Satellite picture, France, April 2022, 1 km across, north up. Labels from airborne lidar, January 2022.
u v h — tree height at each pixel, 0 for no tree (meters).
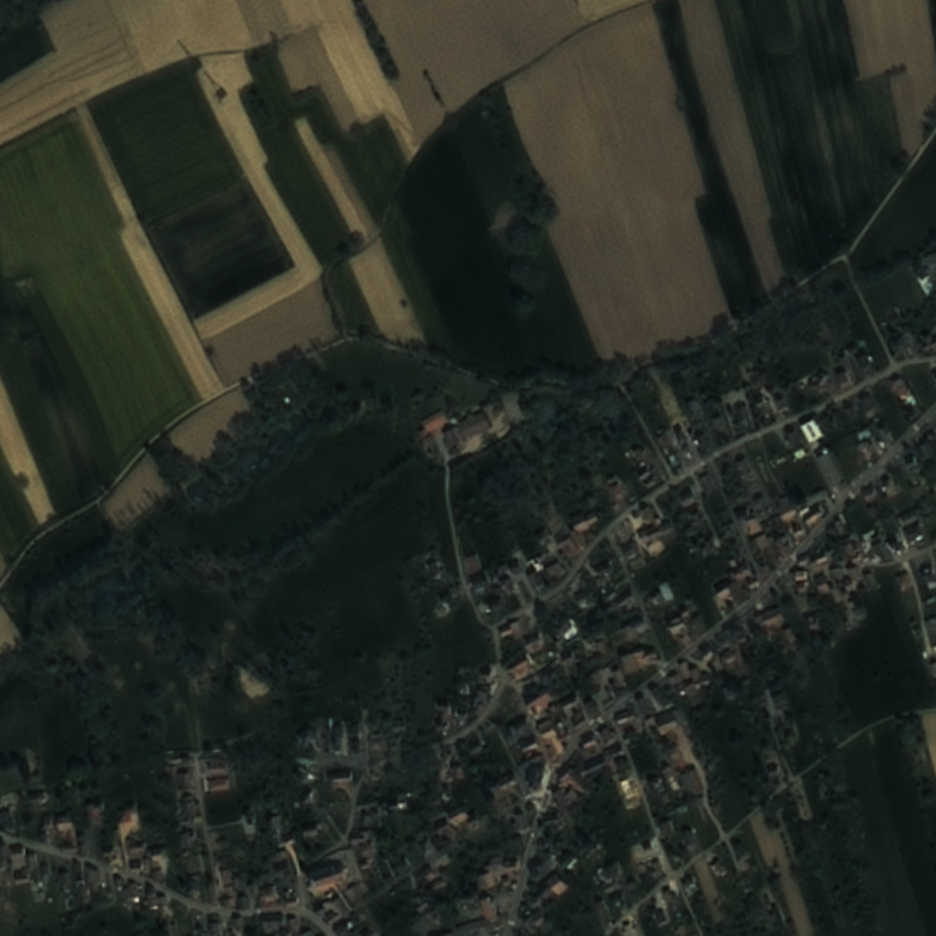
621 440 8
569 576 0
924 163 0
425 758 23
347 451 0
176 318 0
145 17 0
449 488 0
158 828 12
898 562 0
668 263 0
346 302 0
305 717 0
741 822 0
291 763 0
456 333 0
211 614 0
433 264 0
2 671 17
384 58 13
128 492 0
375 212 0
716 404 6
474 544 0
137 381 0
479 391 0
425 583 6
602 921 0
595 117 0
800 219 0
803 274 0
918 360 0
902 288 0
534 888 7
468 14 0
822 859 11
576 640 0
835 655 0
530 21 0
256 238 0
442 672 0
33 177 0
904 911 0
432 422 0
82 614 25
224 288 0
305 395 21
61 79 0
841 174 0
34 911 0
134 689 0
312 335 0
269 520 0
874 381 0
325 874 0
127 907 0
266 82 0
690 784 0
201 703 0
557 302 0
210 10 0
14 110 0
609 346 0
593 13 0
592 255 0
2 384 0
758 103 0
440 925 0
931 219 0
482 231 0
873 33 0
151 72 0
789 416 0
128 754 0
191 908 0
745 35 0
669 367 31
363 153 0
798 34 0
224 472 13
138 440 0
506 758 0
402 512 0
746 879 8
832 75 0
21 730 0
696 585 0
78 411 0
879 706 0
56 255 0
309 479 0
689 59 0
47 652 14
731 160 0
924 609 0
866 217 0
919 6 0
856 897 8
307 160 0
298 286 0
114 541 30
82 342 0
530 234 25
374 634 0
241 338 0
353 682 0
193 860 0
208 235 0
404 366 0
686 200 0
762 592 0
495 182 0
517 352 0
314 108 0
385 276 0
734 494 10
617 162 0
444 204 0
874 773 0
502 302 0
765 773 13
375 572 0
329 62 0
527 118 0
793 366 0
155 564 12
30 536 0
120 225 0
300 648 17
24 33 0
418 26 0
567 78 0
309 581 0
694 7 0
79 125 0
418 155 0
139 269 0
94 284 0
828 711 0
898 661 0
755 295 0
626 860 0
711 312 0
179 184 0
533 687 6
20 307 0
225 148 0
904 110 0
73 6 0
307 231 0
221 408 0
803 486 0
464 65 0
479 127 0
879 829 0
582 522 0
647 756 0
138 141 0
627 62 0
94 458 0
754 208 0
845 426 0
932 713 0
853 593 11
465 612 0
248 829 0
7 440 0
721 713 8
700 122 0
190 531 0
